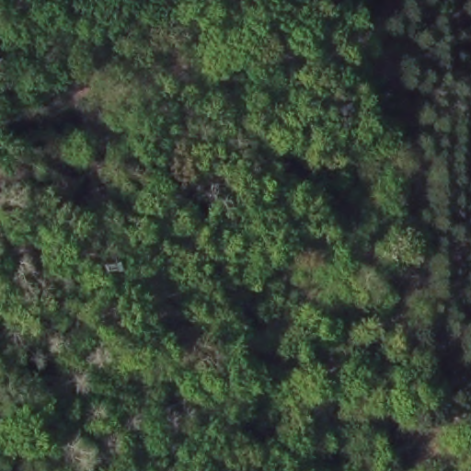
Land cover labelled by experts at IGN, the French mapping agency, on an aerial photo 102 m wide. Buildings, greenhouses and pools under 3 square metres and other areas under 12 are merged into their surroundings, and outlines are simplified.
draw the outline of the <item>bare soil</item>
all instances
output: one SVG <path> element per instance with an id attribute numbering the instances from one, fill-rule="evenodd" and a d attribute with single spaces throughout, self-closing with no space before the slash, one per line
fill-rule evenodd
<path id="1" fill-rule="evenodd" d="M 449 326 L 438 327 L 432 333 L 432 355 L 436 366 L 429 377 L 429 388 L 442 388 L 442 392 L 447 388 L 453 394 L 471 394 L 471 362 L 465 361 L 462 342 L 454 337 Z"/>

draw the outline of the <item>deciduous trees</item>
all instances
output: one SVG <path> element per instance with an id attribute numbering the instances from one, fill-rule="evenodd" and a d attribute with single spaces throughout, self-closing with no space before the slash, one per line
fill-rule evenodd
<path id="1" fill-rule="evenodd" d="M 427 269 L 425 265 L 421 265 L 421 252 L 425 247 L 425 241 L 412 237 L 412 228 L 403 228 L 407 197 L 403 184 L 416 166 L 401 145 L 403 140 L 407 142 L 408 138 L 421 138 L 419 127 L 423 123 L 419 116 L 425 107 L 421 96 L 425 92 L 408 88 L 401 72 L 403 59 L 407 57 L 399 50 L 401 40 L 407 35 L 394 33 L 388 28 L 388 20 L 405 9 L 407 0 L 0 0 L 0 471 L 471 471 L 471 394 L 453 394 L 447 388 L 442 392 L 442 388 L 429 388 L 429 377 L 436 366 L 432 355 L 432 333 L 438 327 L 449 326 L 449 313 L 454 307 L 454 298 L 449 294 L 449 258 L 436 254 L 432 258 L 431 267 Z"/>

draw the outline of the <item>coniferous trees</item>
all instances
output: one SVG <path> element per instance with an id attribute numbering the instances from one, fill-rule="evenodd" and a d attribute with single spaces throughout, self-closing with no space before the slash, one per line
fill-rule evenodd
<path id="1" fill-rule="evenodd" d="M 421 252 L 421 265 L 425 265 L 427 269 L 431 267 L 432 258 L 436 254 L 449 258 L 449 294 L 454 298 L 454 307 L 449 313 L 449 326 L 454 337 L 462 342 L 465 361 L 471 362 L 471 0 L 407 0 L 405 9 L 388 20 L 388 28 L 394 33 L 407 35 L 401 40 L 399 50 L 407 57 L 403 59 L 401 72 L 408 88 L 425 92 L 421 96 L 425 107 L 419 116 L 423 123 L 419 127 L 421 138 L 408 138 L 407 142 L 403 140 L 401 145 L 416 166 L 403 184 L 407 197 L 403 228 L 412 228 L 412 237 L 425 241 L 425 247 Z"/>

